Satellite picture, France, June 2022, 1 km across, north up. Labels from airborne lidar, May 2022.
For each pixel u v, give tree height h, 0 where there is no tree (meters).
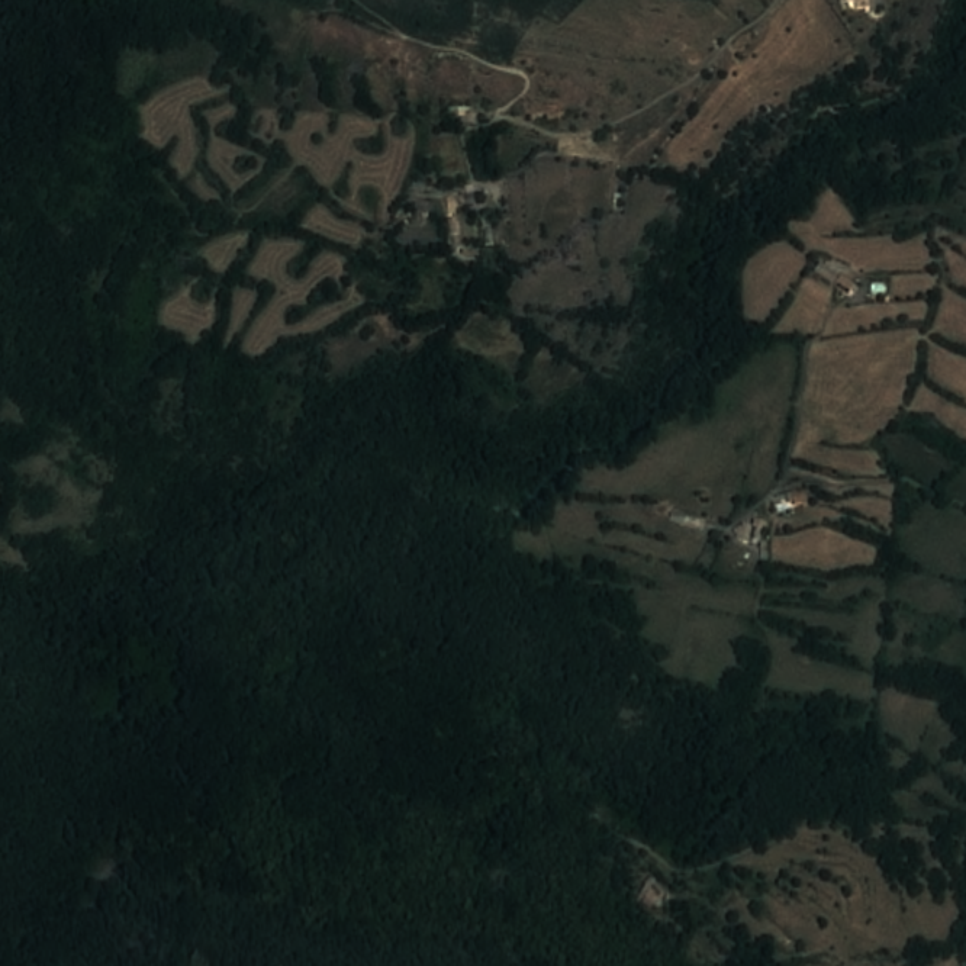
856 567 8
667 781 20
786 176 21
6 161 16
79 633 20
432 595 20
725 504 0
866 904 0
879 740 14
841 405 0
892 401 0
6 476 12
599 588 9
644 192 0
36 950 19
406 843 14
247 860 11
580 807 8
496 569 11
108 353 11
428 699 21
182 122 0
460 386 15
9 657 12
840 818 16
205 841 12
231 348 10
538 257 8
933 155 9
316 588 12
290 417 0
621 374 9
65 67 20
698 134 0
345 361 0
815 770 6
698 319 12
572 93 0
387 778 21
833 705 9
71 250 16
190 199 9
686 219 8
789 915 0
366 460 10
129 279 6
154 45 14
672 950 6
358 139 0
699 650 0
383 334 0
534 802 17
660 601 0
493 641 15
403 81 0
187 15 11
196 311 0
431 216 7
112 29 15
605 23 0
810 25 0
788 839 7
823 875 12
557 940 11
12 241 10
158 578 20
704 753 18
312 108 0
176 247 7
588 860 12
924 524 0
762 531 7
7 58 17
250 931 10
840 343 0
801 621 7
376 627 11
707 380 11
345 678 18
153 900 19
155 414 6
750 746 15
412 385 12
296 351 11
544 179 0
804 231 0
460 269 9
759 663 10
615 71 0
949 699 12
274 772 13
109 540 9
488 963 7
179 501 16
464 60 0
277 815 11
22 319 14
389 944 12
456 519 11
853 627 0
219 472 15
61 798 19
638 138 0
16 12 16
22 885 21
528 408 7
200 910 12
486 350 0
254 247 14
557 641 18
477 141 6
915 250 0
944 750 10
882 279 0
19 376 18
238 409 12
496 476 14
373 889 14
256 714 17
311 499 13
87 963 14
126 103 7
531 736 17
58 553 12
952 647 0
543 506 15
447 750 21
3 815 19
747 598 0
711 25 0
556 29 0
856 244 0
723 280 18
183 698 18
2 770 17
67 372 20
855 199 8
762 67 0
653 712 7
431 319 10
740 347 16
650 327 7
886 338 0
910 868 14
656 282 10
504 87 0
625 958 8
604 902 8
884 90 6
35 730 17
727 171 9
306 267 8
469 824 14
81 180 7
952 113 10
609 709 7
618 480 0
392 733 22
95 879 14
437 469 8
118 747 20
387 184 0
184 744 20
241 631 12
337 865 18
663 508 0
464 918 15
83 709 13
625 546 7
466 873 8
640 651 15
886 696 0
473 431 13
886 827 7
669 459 0
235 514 19
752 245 16
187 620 15
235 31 13
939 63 18
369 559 14
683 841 15
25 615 24
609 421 11
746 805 18
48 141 18
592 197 0
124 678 8
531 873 9
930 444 7
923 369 9
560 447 16
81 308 17
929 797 11
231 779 23
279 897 12
